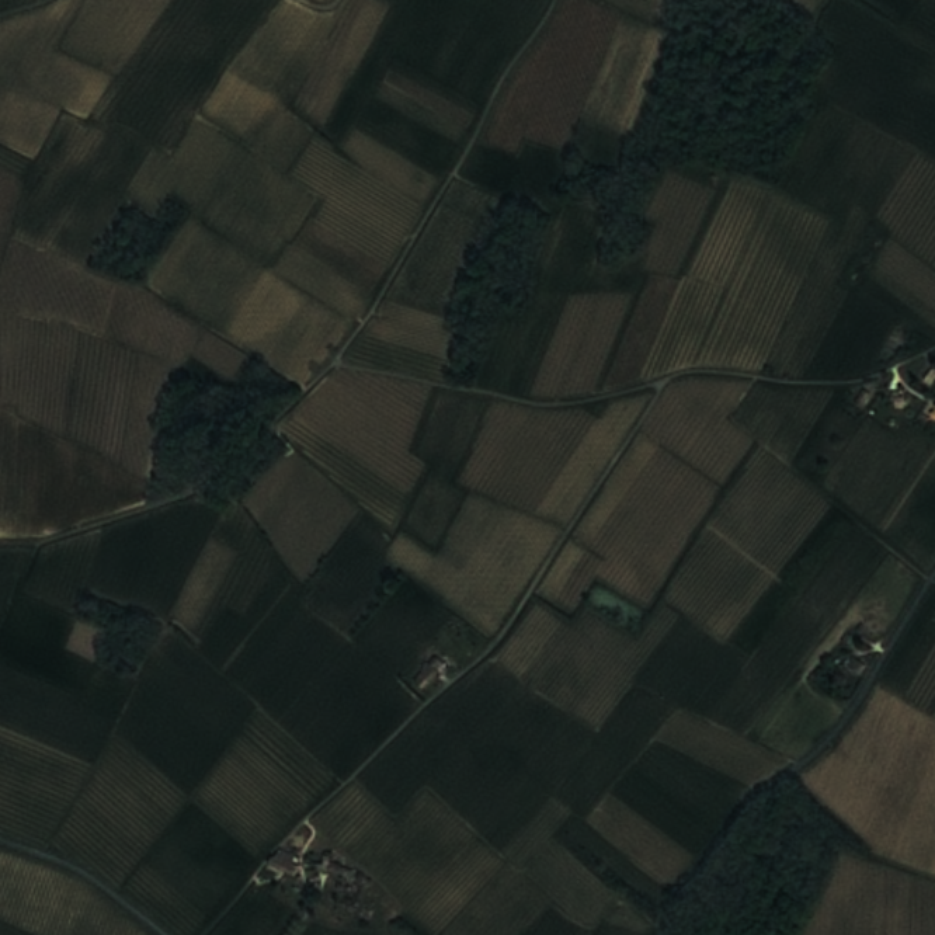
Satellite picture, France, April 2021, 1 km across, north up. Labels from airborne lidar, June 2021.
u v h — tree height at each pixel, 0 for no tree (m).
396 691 0
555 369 0
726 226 0
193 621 0
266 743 0
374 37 0
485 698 0
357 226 0
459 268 0
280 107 0
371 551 0
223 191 0
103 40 0
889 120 0
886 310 0
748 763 0
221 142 0
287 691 0
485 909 0
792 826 18
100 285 0
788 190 0
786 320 0
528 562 0
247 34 0
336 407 0
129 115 0
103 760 0
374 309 0
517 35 0
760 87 17
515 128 0
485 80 0
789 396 0
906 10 0
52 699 0
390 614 0
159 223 9
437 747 0
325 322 0
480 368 14
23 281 0
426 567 0
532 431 0
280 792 0
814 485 0
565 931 0
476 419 0
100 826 0
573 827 0
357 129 0
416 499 0
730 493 0
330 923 0
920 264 0
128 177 0
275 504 0
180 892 0
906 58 0
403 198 0
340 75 0
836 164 0
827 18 0
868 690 0
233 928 0
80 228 0
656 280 0
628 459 0
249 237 0
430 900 0
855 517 0
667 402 0
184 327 0
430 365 0
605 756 0
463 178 0
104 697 0
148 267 15
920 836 0
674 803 0
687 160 13
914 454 0
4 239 0
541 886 0
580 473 0
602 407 0
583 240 0
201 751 0
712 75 15
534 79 0
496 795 0
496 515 0
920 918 0
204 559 0
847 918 0
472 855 0
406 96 0
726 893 26
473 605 0
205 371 0
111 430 0
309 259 0
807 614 0
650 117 17
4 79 0
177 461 20
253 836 0
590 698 0
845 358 0
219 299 0
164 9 0
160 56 0
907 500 0
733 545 0
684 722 0
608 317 0
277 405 17
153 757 0
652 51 0
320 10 0
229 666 0
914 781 0
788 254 0
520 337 0
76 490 0
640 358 0
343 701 0
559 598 0
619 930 0
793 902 31
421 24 0
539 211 20
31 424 0
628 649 0
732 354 0
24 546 0
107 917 0
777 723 0
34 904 0
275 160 0
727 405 0
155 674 0
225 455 23
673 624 0
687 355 0
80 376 0
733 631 0
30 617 0
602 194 17
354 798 0
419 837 0
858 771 0
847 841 21
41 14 0
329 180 0
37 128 0
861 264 0
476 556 0
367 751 0
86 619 19
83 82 0
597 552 0
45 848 0
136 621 20
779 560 0
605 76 0
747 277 0
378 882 0
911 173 0
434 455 0
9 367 0
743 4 19
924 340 0
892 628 0
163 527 0
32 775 0
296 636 0
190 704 0
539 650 0
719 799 0
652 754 0
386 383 0
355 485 0
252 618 0
